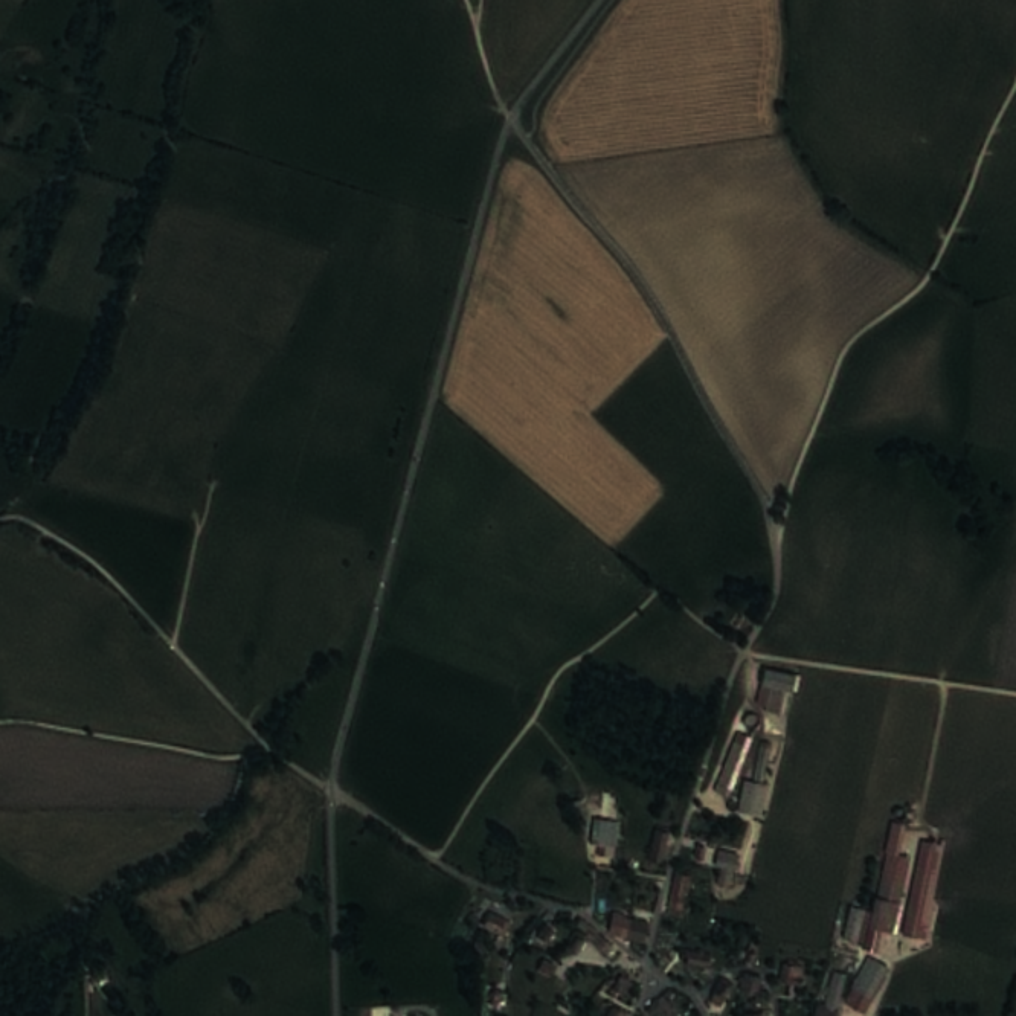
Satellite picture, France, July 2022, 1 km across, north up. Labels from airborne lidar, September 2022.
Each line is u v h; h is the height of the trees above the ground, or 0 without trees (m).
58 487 0
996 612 0
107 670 0
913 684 0
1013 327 0
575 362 0
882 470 0
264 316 0
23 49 0
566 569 0
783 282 0
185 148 0
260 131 0
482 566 0
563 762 0
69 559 16
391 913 0
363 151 0
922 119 0
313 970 0
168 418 0
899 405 0
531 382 0
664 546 0
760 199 0
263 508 0
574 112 0
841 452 0
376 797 0
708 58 0
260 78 0
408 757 0
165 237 0
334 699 0
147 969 9
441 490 0
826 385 0
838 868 0
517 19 0
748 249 0
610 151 0
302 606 0
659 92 0
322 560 0
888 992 0
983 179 0
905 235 0
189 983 0
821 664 0
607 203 0
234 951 0
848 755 0
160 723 0
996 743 0
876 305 0
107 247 7
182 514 0
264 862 0
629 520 0
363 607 0
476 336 0
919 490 0
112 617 0
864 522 0
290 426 0
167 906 0
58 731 0
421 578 0
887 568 0
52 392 0
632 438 0
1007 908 0
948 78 0
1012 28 0
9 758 0
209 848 17
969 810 0
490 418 0
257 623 0
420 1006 0
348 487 0
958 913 0
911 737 0
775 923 0
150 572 0
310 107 0
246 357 0
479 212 0
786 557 0
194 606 0
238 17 0
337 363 0
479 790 0
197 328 0
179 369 0
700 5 0
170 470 0
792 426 0
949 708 0
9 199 0
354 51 0
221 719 0
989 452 0
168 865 22
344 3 0
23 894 0
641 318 0
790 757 0
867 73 0
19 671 0
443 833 0
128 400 0
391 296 0
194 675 0
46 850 0
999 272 0
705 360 0
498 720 0
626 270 0
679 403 0
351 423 0
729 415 0
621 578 0
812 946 0
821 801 0
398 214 0
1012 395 0
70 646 0
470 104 0
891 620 0
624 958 0
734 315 0
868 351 0
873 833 0
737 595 19
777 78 0
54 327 0
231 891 0
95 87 7
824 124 0
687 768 18
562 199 0
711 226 0
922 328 0
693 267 0
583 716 19
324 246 0
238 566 0
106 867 0
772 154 0
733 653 0
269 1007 0
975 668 0
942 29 0
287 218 0
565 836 0
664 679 0
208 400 0
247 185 0
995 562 0
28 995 21
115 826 0
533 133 0
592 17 0
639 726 29
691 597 0
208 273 0
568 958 0
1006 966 0
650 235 0
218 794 0
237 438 0
